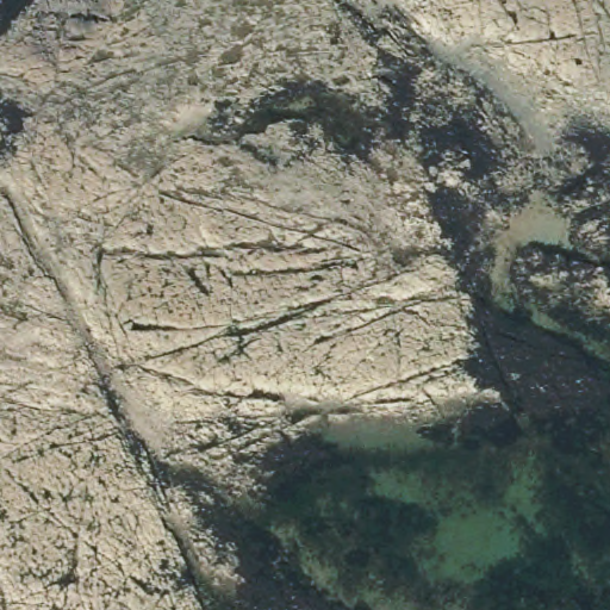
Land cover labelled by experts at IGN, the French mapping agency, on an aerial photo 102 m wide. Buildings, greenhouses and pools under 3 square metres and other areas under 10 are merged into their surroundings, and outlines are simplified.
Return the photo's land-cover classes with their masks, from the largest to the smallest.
<instances>
[{"label":"bare soil","instance_id":"1","mask_svg":"<svg viewBox=\"0 0 610 610\"><path fill-rule=\"evenodd\" d=\"M403 64H412L422 71L415 79V105L403 107V119L410 122L407 138L391 141L386 129H379L372 141V153L362 162L355 155L353 162H341V155L348 153V148L362 143L365 138L362 110L379 107L391 95V88L376 76L398 74ZM5 100H14L26 117L21 133H17V155L0 157V610H241L243 600L238 584L243 581V577L236 572L238 560L236 546L214 539L212 529H203L198 515L222 496L226 498V503L241 500L248 508L260 510L264 508L262 493L269 486L272 472L262 469V450H267L272 443H279L286 436L298 438L303 431H307L312 424H346L357 422L365 415L398 417L410 412L431 419L434 410L443 400L469 396L472 400H498L500 393L496 388H477L474 379L465 372L467 353L477 348L474 331L465 322L472 312V305L484 303L491 312L496 331L515 343L529 341L541 326L550 331L558 329L560 322L550 319L548 315L560 300H565L569 307L581 310L591 322L598 319L603 310L610 312V0H33L12 21L10 31L0 38V105ZM453 119H462L469 129L479 126L486 136H491V155L498 157L496 172H486L484 176L469 183L462 179L465 169H469V160L455 162L453 150L443 153L438 167H422L417 162L422 153V129L446 126Z\"/></svg>","mask_w":610,"mask_h":610},{"label":"water","instance_id":"2","mask_svg":"<svg viewBox=\"0 0 610 610\"><path fill-rule=\"evenodd\" d=\"M550 319L560 322L558 329L550 331L548 334L553 338L574 348L584 357V362L610 384V312L603 310L598 319L591 322L581 310L569 307L565 300H560L548 315ZM508 400V415L496 424L486 427L465 424V415L474 407H481L486 400H472L469 396L443 400L434 410L431 419L410 412L398 417L365 415L357 422L346 424H312L307 431H317L326 441V460H307L303 455H295L281 460L272 472L269 486L262 493L264 508L260 510L255 519H245L248 529L236 546L238 560L243 558L257 579L305 591L319 598L326 610H610V393L584 407H553L539 415L527 407L519 388H515L503 398Z\"/></svg>","mask_w":610,"mask_h":610},{"label":"herbaceous vegetation","instance_id":"3","mask_svg":"<svg viewBox=\"0 0 610 610\"><path fill-rule=\"evenodd\" d=\"M33 0H0V38L10 31L12 21ZM422 71L412 64H403L398 74L376 76L391 88V95L379 107L362 110L365 138L362 143L348 148V153L341 155V162H353L355 155L362 162L372 153V141L379 129H386L391 141L407 138L410 122L403 119V107L415 105V79ZM26 117L14 100H5L0 105V157L17 155V133H21ZM422 153L417 162L422 167H438L443 153L453 150L455 162L469 160V169H465L462 179L469 183L484 176L486 172H496L498 157L491 155V136H486L479 126L469 129L462 119H453L446 126L422 129ZM465 322L474 331L477 348L467 353L465 372L474 379L477 388H496L500 393L498 400H486L481 407H474L465 415V424L486 427L496 424L508 415V400L503 398L515 388H519L527 407L539 415L553 407H584L610 393V384L584 362V357L574 348L553 338L548 334L550 331L541 326L529 341L515 343L496 331L491 312L484 303L472 305V312ZM326 441L317 431H303L298 438L286 436L279 443H272L267 450H262V469L272 472L281 460L295 455H303L307 460H326ZM260 510L248 508L241 500L226 503V498L222 496L198 515L203 529H212L214 539L236 546L248 529L245 519H255ZM236 572L243 577V581L238 584L243 600L241 610H326L319 598L305 591L257 579L243 558L238 560Z\"/></svg>","mask_w":610,"mask_h":610}]
</instances>
